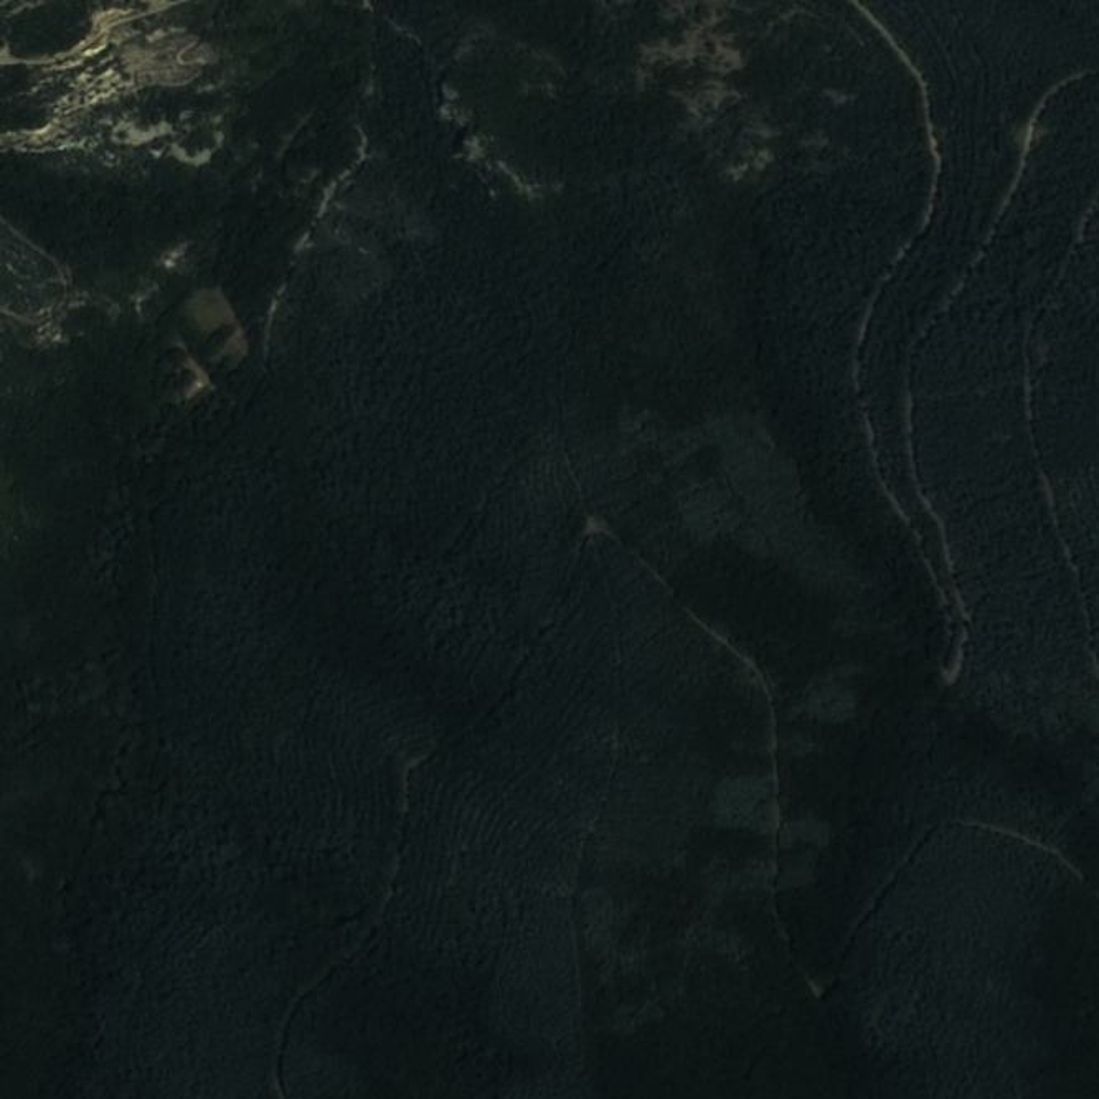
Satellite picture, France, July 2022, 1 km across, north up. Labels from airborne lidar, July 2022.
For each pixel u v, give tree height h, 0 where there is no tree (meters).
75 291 8
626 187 6
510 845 11
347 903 16
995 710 10
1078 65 11
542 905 14
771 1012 13
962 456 12
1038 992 10
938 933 10
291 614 10
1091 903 11
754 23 6
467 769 9
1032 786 21
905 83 7
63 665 16
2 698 20
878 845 10
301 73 17
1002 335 13
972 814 14
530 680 12
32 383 10
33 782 8
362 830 12
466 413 7
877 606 12
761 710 12
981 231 7
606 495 15
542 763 7
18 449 13
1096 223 8
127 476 18
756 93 13
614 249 13
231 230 11
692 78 7
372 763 11
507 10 12
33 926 7
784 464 15
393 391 8
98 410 20
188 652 9
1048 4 14
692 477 14
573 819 11
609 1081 19
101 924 13
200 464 10
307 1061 13
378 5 7
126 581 19
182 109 8
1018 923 13
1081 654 10
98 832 21
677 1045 22
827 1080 12
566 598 11
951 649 11
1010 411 12
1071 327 8
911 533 7
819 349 7
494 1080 11
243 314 9
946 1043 10
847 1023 17
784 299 8
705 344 8
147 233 17
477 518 10
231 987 12
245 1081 14
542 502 7
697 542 10
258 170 9
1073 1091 24
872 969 12
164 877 13
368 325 8
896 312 12
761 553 11
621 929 15
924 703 17
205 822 6
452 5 7
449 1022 16
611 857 13
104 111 7
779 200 8
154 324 9
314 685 11
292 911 8
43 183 11
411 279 8
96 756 12
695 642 12
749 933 17
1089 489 10
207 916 14
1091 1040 18
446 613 10
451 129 8
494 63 7
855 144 6
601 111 11
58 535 12
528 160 10
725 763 15
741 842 14
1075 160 7
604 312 13
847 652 14
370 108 6
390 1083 14
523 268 6
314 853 15
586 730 7
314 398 9
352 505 9
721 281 8
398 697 14
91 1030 14
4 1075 10
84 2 7
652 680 16
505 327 8
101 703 23
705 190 7
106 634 19
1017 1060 12
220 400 7
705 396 14
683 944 19
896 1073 14
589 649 7
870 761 29
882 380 9
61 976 16
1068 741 15
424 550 10
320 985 8
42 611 12
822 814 10
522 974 17
